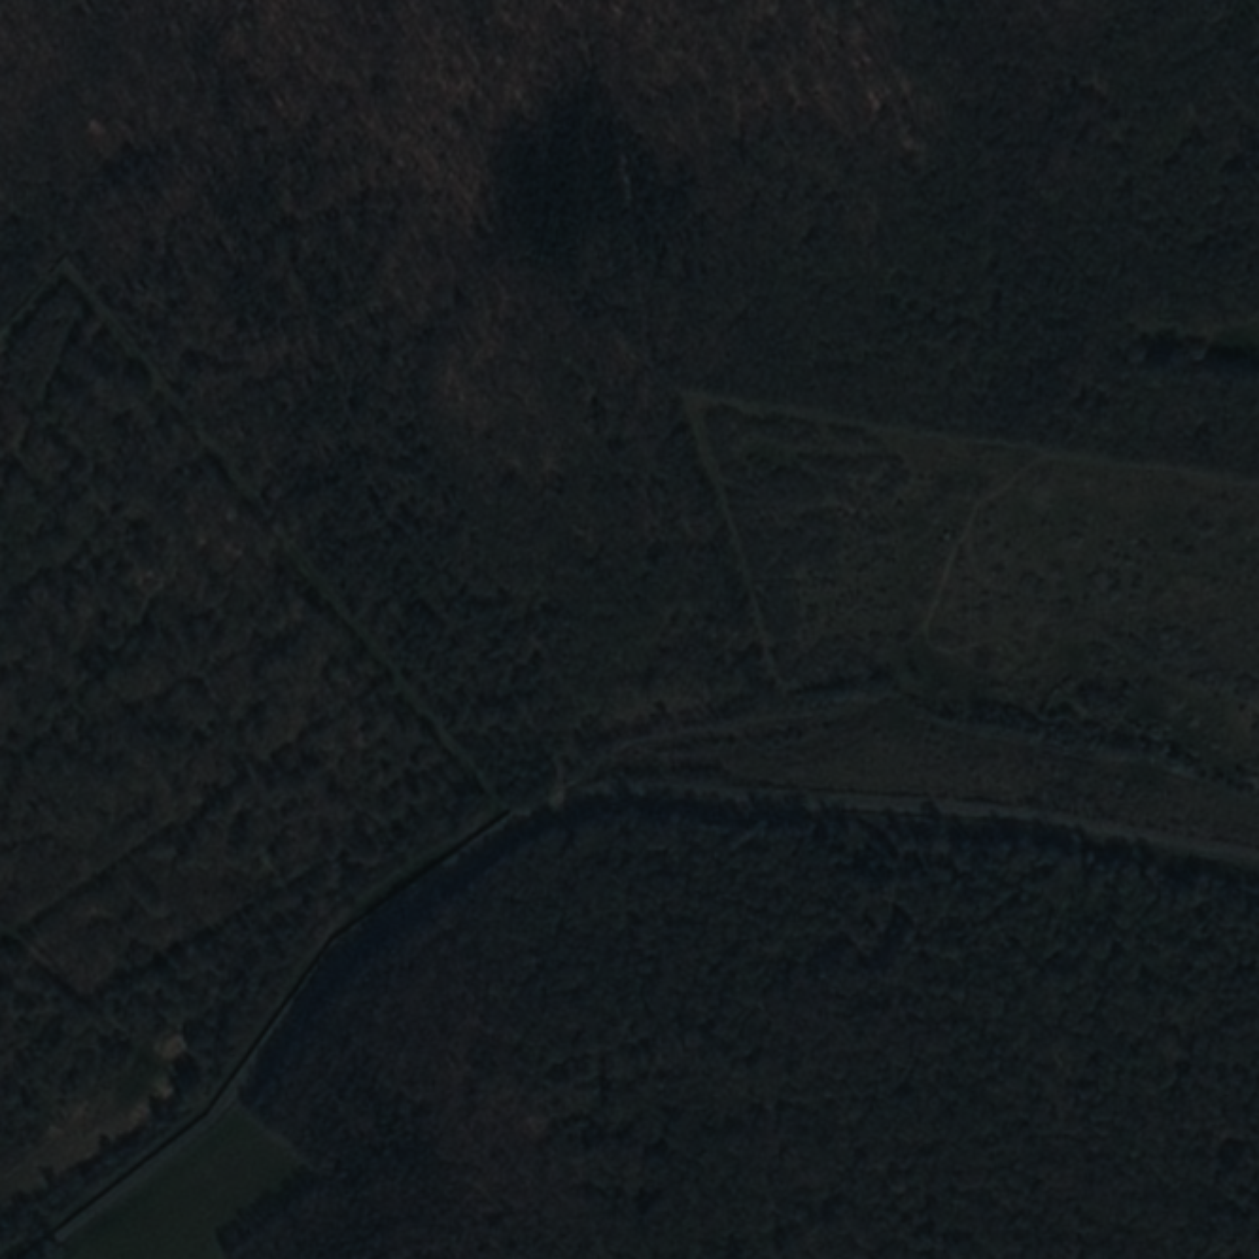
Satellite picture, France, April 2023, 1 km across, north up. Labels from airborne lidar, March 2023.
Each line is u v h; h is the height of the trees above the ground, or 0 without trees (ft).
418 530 61
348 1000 66
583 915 75
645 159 71
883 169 92
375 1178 60
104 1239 0
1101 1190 79
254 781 110
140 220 62
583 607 72
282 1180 0
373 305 38
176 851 29
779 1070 77
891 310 82
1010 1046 72
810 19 98
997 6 64
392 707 93
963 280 74
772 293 56
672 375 53
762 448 0
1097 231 67
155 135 59
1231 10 49
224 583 101
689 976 76
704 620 72
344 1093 70
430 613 61
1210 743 0
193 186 65
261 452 72
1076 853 75
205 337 71
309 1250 54
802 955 64
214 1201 0
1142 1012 76
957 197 77
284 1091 71
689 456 55
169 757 101
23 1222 62
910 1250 72
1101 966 62
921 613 0
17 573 36
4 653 98
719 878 68
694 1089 75
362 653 38
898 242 83
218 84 65
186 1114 31
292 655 98
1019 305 60
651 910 67
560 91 49
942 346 61
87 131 81
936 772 0
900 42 98
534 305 78
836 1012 87
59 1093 43
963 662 0
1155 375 80
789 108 93
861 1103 77
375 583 65
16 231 60
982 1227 82
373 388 57
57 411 45
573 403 79
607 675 78
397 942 72
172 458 95
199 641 109
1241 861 0
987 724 80
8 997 60
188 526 99
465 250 80
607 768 0
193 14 66
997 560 0
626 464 56
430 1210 60
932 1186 52
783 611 21
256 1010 56
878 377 64
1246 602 0
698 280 61
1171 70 77
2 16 81
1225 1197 54
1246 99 83
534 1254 74
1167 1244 61
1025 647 0
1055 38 43
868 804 0
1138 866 70
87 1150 0
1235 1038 66
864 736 0
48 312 25
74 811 102
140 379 62
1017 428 61
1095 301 79
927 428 50
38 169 68
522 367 78
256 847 90
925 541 0
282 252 64
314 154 65
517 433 80
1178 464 47
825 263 81
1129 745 60
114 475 96
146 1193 0
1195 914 43
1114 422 77
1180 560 0
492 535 73
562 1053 73
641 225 58
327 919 70
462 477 65
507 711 58
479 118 58
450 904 85
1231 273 78
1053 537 0
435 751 87
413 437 56
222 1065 45
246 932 73
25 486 95
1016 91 64
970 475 0
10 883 25
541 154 67
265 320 56
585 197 52
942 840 78
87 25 82
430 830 49
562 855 79
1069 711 27
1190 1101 54
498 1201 71
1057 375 65
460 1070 81
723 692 83
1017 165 74
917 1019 71
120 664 85
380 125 91
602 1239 80
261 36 67
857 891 69
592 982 77
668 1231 84
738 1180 81
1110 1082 70
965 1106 78
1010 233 73
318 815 55
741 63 82
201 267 66
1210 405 75
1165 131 73
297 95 72
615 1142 83
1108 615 0
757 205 61
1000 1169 69
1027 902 56
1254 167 63
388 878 24
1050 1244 74
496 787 22
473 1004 81
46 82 81
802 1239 86
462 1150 75
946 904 63
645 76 67
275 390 50
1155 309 80
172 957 30
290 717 106
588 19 77
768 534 20
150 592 39
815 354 62
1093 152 68
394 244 74
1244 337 0
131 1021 72
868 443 20
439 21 83
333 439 59
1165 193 73
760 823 55
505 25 78
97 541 31
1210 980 64
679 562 77
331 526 40
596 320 75
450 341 78
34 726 64
